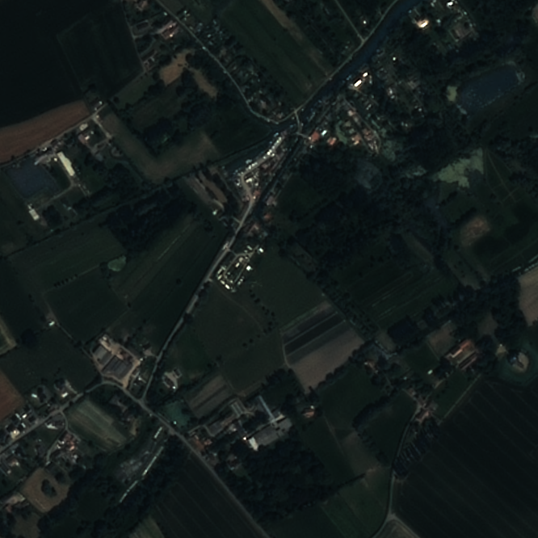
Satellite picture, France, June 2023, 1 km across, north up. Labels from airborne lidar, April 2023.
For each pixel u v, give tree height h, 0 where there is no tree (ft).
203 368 0
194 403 0
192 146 0
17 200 0
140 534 0
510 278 32
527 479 0
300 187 0
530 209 0
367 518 0
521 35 66
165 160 0
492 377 0
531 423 0
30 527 0
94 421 0
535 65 0
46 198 0
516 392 0
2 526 99
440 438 0
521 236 0
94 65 0
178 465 77
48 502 0
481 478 0
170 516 0
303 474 94
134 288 0
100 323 0
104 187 0
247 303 0
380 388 40
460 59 60
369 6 94
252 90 23
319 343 0
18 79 0
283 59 0
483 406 0
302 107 0
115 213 0
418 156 104
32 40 0
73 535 0
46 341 0
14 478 0
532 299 0
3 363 0
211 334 0
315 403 56
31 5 0
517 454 0
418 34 52
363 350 33
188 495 0
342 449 0
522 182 50
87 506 0
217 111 37
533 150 54
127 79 0
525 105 0
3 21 0
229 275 0
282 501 90
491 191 0
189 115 66
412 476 0
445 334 0
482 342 34
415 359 0
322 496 80
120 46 0
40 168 0
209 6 0
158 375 43
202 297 47
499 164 0
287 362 0
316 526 0
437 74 73
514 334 88
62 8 0
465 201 0
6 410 0
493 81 0
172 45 22
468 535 0
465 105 0
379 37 0
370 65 38
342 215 79
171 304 0
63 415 0
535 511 0
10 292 0
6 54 0
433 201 0
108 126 0
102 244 0
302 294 0
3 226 0
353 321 49
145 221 66
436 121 60
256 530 0
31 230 0
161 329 0
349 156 52
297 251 0
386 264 0
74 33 0
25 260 0
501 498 0
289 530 0
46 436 0
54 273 0
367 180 0
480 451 0
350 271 0
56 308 0
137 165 0
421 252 0
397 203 69
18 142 0
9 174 0
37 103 0
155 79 34
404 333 106
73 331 0
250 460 79
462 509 0
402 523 0
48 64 0
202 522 0
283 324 0
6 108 0
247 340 0
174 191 82
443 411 0
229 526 0
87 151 32
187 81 59
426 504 0
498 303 75
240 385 0
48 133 0
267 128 0
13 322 0
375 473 0
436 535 0
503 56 60
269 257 0
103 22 0
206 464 0
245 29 0
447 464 0
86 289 0
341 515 0
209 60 22
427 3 24
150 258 0
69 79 0
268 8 0
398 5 0
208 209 0
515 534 0
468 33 0
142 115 0
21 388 0
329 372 0
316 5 29
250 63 33
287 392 0
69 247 0
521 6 96
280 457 77
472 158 0
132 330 0
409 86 0
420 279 0
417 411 0
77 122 0
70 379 0
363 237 85
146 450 0
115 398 0
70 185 0
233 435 23
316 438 0
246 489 43
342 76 0
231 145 0
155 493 87
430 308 0
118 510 47
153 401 52
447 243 56
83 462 30
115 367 0
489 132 0
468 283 0
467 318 74
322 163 106
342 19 44
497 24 90
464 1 0
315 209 32
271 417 0
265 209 38
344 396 0
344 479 0
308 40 0
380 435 0
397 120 48
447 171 0
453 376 0
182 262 0
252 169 0
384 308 0
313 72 0
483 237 0
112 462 0
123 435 0
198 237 0
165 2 0
